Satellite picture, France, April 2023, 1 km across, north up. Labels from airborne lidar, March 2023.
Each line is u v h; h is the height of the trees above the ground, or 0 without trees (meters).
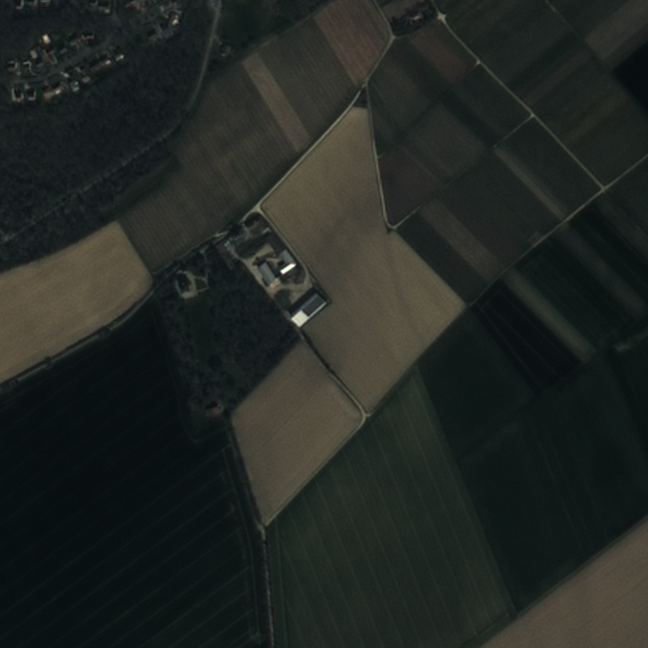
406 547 0
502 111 0
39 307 0
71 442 0
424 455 0
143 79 15
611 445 0
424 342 0
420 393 0
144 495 0
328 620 0
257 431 0
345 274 0
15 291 0
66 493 0
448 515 0
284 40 0
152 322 0
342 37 0
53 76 0
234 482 0
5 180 15
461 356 0
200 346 0
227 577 0
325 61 0
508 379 0
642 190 0
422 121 0
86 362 0
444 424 0
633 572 0
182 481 0
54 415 0
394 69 0
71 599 0
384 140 0
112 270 0
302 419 0
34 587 0
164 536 0
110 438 0
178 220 0
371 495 0
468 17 0
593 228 0
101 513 0
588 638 0
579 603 0
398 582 0
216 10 0
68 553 0
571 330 0
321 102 0
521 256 0
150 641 0
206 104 0
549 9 0
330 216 0
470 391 0
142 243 0
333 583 0
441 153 0
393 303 0
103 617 0
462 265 0
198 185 0
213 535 0
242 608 0
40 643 0
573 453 0
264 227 0
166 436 0
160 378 0
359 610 0
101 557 0
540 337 0
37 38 16
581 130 0
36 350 0
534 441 0
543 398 0
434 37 0
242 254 14
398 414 0
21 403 0
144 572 0
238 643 0
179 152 0
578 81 0
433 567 0
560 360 0
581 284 0
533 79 0
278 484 0
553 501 0
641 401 0
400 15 0
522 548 0
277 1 0
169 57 17
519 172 0
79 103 17
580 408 0
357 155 0
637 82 0
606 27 0
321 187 0
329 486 0
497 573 0
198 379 17
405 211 0
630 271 0
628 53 0
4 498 0
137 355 0
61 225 22
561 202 0
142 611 0
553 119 0
